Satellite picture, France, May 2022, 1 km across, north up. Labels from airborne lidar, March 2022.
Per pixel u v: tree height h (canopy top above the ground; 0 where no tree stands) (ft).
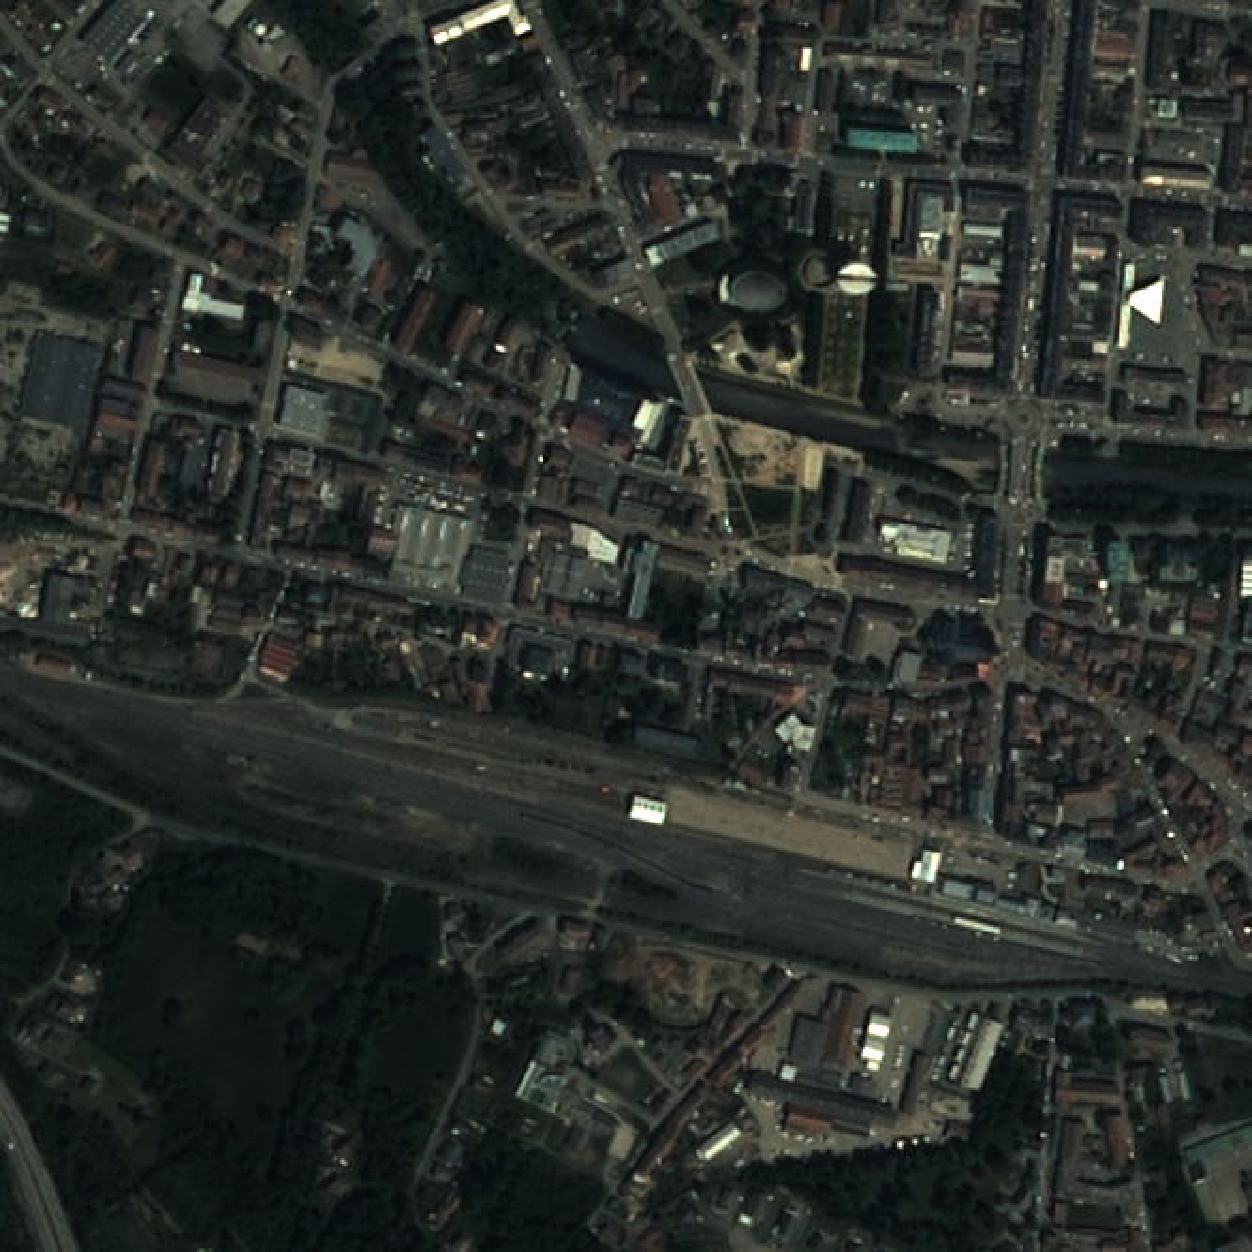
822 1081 0
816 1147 0
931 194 0
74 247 0
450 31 0
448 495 0
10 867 29
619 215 0
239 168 0
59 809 18
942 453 0
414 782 0
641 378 0
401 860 0
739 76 0
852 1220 35
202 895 61
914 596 0
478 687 0
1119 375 0
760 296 0
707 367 0
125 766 0
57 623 0
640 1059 0
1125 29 0
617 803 0
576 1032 0
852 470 0
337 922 0
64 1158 50
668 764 0
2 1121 0
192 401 31
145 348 0
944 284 0
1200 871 0
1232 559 39
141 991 0
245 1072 0
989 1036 0
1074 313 0
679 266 0
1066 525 0
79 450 0
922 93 0
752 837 0
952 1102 0
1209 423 0
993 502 0
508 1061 0
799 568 0
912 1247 69
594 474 0
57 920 0
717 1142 0
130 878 22
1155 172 0
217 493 0
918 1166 76
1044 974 0
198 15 0
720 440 0
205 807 0
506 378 0
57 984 0
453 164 0
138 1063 0
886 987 0
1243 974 0
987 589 0
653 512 0
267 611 0
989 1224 78
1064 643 0
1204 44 0
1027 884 0
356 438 0
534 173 0
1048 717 0
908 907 0
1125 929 0
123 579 26
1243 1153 0
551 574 0
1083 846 0
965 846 0
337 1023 52
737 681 0
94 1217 36
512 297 48
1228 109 0
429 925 0
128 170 0
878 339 62
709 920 0
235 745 0
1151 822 0
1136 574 0
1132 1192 0
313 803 0
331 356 0
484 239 57
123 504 0
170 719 0
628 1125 0
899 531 0
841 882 0
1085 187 0
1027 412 0
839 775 20
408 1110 36
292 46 0
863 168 0
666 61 41
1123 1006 0
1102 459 0
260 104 19
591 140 0
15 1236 33
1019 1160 0
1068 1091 0
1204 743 0
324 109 0
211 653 0
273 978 39
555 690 59
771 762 0
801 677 0
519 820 0
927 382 0
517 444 0
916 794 0
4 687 0
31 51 0
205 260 0
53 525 43
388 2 0
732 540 0
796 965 0
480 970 0
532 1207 0
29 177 0
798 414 0
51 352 0
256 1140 0
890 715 0
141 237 0
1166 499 29
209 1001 0
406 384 58
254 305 46
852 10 0
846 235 0
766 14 33
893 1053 0
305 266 0
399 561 0
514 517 22
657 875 0
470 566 0
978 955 0
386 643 0
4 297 0
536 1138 0
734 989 0
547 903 0
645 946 0
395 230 0
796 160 0
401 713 0
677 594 0
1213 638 0
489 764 0
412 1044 0
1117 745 0
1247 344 0
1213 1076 0
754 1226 0
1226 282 0
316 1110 70
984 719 0
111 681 0
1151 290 0
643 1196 0
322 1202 0
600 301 0
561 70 0
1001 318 0
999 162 0
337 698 0
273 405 0
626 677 34
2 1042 47
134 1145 0
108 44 0
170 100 0
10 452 0
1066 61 0
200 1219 43
